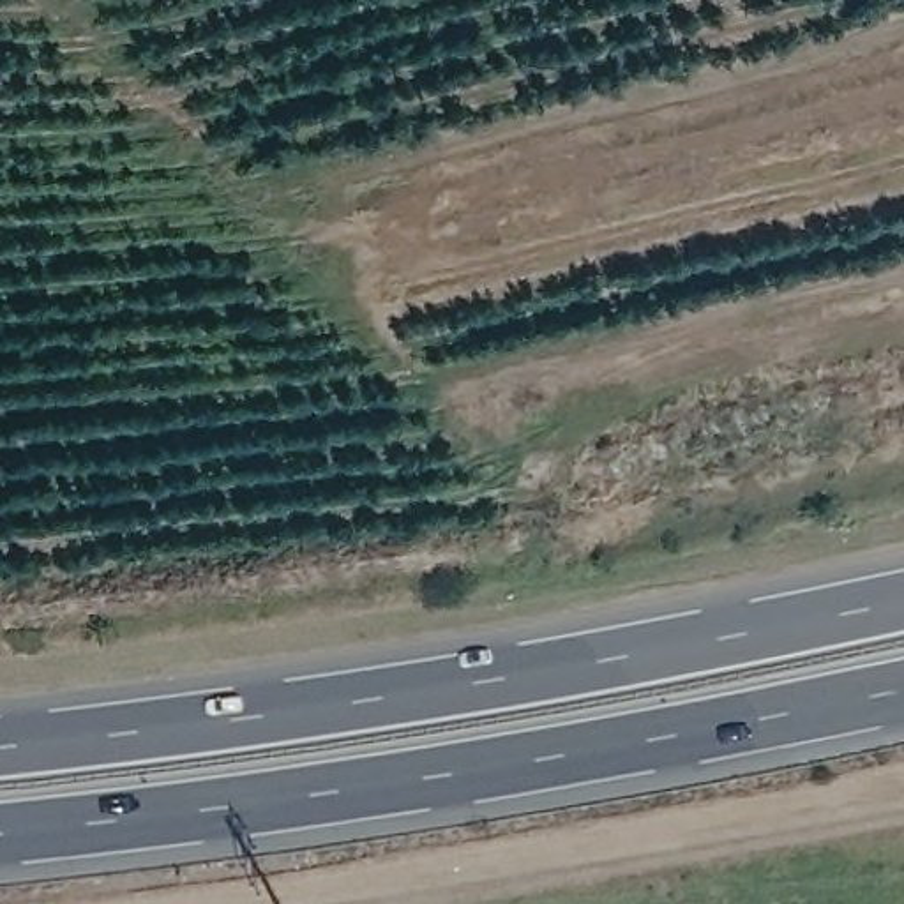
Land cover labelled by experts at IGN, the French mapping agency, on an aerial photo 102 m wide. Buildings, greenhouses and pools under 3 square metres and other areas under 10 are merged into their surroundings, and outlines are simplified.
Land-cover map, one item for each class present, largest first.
<instances>
[{"label":"deciduous trees","instance_id":"1","mask_svg":"<svg viewBox=\"0 0 904 904\"><path fill-rule=\"evenodd\" d=\"M95 11V25H124V32L131 35V42L124 46V60L131 64V71L148 85H173L184 95V109L205 124V141L215 145L222 138H240L251 145V152L240 155L237 173H251L254 166L279 170L283 152L325 155L343 148L378 152L381 145L420 148L431 138V131H477L494 120L540 113L544 106L579 102L586 95H618L629 81L639 78L678 85L689 81L699 64L724 67L735 60L791 53L802 42L840 39L848 28H869L890 11H904V0H844V7L830 18L823 14L791 28L756 32L752 39L735 46H706L699 42L696 28L724 21L720 7L710 0H85ZM512 67H523L526 78L516 81L512 99H494L477 109L456 99L459 85H473ZM53 42V32L42 18L0 21V131L25 124H117L131 120V109H49V99L57 95H109V85L78 78L42 85L28 78L32 67H64L74 64V57L57 49L53 57H42L39 46ZM117 152H131L127 134H113L109 141H67L32 148L18 141L11 148H0V187H88L124 180H166V170L78 166L74 173H53V159L60 155L106 159ZM88 212H117L113 198H39L0 205V590H46L53 579L78 583L113 569H187L191 561H222L240 554H261L258 565L265 569L286 565L290 558H311L314 565H321L346 561L350 554L385 558L413 547L438 523H456L466 530L487 526L494 516V501L487 498L473 505L427 501V487L470 484L473 473L456 463L448 441L441 438H431L424 448L403 445V427L427 424V410H396V385L388 378L374 371L371 353L335 350V325L304 335L290 332V321H311L318 318V311L275 307L272 293L300 286L304 272L247 283V251L219 254L205 247L212 233H247L251 222L244 219L198 226L124 222L81 230V215ZM904 261V219L872 222L865 230L851 226L844 237L833 233L812 240H787L749 254L699 258L646 275L597 279L579 290L551 297L540 293L523 304H505L501 297H491V311L466 314L459 321L417 325L403 335V343L427 364H445L484 353H512L537 339H558L579 328L639 325L660 314L696 311L703 304L749 297L759 290H784L805 279L872 275ZM473 593L456 565H438L424 572L420 597L427 607H456Z\"/></svg>","mask_w":904,"mask_h":904},{"label":"herbaceous vegetation","instance_id":"2","mask_svg":"<svg viewBox=\"0 0 904 904\"><path fill-rule=\"evenodd\" d=\"M42 18L53 32V42L39 46L42 57H53L57 49L74 57V64L64 67H32L28 78L42 85L78 78L109 85V95H57L49 99V109H131V120L117 124H25L0 131V148H11L18 141L32 148L67 141H109L113 134H127L131 152H117L106 159L60 155L53 159V173H74L78 166L166 170V180H124L88 187H0V205L39 198H113L117 212H88L81 215V230L124 222L198 226L244 219L251 222L247 233H212L205 247L219 254L247 251V283L304 272L300 286L272 293L275 307L318 311V318L311 321H290V332L304 335L335 325V350L371 353L374 371L388 378L399 367V357L378 346L371 318L357 300L353 254L332 244H311L300 233L304 219L339 222L360 212L357 198L367 191L441 180L445 173L438 162H466L463 148L519 138L530 131H547L586 117L643 109L653 102L692 99L745 81L795 74L833 57L865 53L886 39H893L897 46L904 42V11H890L869 28H848L840 39L802 42L791 53L735 60L724 67L699 64L689 81L678 85L639 78L629 81L618 95H586L579 102L544 106L540 113L494 120L477 131H431V138L420 148L381 145L378 152L343 148L325 155L283 152L279 170L254 166L251 173H237L240 155L251 152V145L240 138H222L215 145L205 141V124L184 109V95L173 85H148L131 71V64L124 60V46L131 42V35L124 32V25H95V11L85 0H0V21ZM720 7L724 21L696 28L699 42L706 46H735L752 39L756 32L791 28L823 14L830 18L844 7V0H710ZM516 81L526 78L523 67H512L473 85H459L456 99L477 109L494 99H512ZM636 388H667L678 399L674 406H664L643 424L614 420L593 448L547 452L554 470L540 484L561 505L558 523L544 512L494 516L487 526L466 530L456 523H438L413 547L385 558L350 554L346 561L321 565H314L311 558H290L286 565L265 569L258 565L261 554H240L222 561H191L187 569H113L78 583L53 579L46 590H0V629L42 625V643L124 639L166 629H198L215 622L275 618L332 604L360 607L364 600H374L381 593L420 597L424 572L438 565H456L473 593L456 607H438L441 622L487 618V625L498 636L597 611L703 593H731L752 583H773L904 554V311L883 307L840 318L823 339L812 343V353L798 360H777L773 371L752 367L749 357L738 350H713L699 360L653 371L639 378ZM438 392L424 381L396 385V410H427V424L403 427V445L424 448L431 438H441L448 413L434 410ZM491 487L470 484L427 487V501L473 505L487 498ZM904 763V742L862 749L851 756H830L823 763L830 777ZM816 784L812 763H784L770 773H735L731 780L720 777L717 784H685L682 791L660 787L618 802L604 798L597 805H561L544 816L523 819L484 816L470 819L466 830L396 837L378 844H343L332 851L212 862L191 865L184 872H134L113 879L0 883V904H148V893L180 886L275 879L343 869L353 862H385L396 855L526 837L593 819L643 816L671 805H703L717 798H749L763 791L805 787ZM576 904H904V826L851 833L833 844L773 848L749 862L720 858L710 865H671L632 876H611L590 886Z\"/></svg>","mask_w":904,"mask_h":904},{"label":"impervious surface","instance_id":"3","mask_svg":"<svg viewBox=\"0 0 904 904\"><path fill-rule=\"evenodd\" d=\"M904 742V554L773 583H752L731 593H703L597 611L498 636H477L473 643L438 639L254 671L191 674L177 682L0 699V883L113 879L134 872H184L191 865L212 862L332 851L343 844H378L396 837L466 830L470 819L484 816L523 819L544 816L561 805H597L604 798L618 802L660 787L682 791L685 784H717L720 777L731 780L735 773H770L784 763H823L830 756H851L862 749ZM148 904H283L275 897V879L180 886L148 893Z\"/></svg>","mask_w":904,"mask_h":904},{"label":"agricultural land","instance_id":"4","mask_svg":"<svg viewBox=\"0 0 904 904\"><path fill-rule=\"evenodd\" d=\"M466 162H438L445 173L441 180L367 191L357 198L360 212L339 222L304 219L300 233L311 244H332L353 254L357 300L371 318L378 346L399 357V367L388 378L396 385L424 381L438 392L434 410L448 413L441 438L448 441L456 463L473 473L470 484L491 487L487 498L494 501V516L544 512L558 523L561 505L540 484L554 470L547 452L593 448L614 420L643 424L664 406H674L678 399L667 388H636L639 378L653 371L699 360L713 350H738L749 357L752 367L773 371L777 360H798L812 353V343L823 339L840 318L883 307L904 311V261L872 275L805 279L784 290H759L749 297L703 304L696 311L660 314L639 325L579 328L558 339H537L512 353H484L445 364H427L403 343V335L417 325L459 321L466 314L491 311V297H501L505 304H523L540 293L551 297L579 290L597 279L646 275L699 258L749 254L787 240H812L833 233L844 237L851 226L865 230L872 222L904 219V42L897 46L893 39H886L865 53L833 57L795 74L745 81L692 99L653 102L643 109L586 117L547 131H530L519 138L463 148Z\"/></svg>","mask_w":904,"mask_h":904},{"label":"pervious surface","instance_id":"5","mask_svg":"<svg viewBox=\"0 0 904 904\"><path fill-rule=\"evenodd\" d=\"M477 636H498L487 625V618L441 622L438 607H427L420 597L381 593L374 600H364L360 607L332 604L275 618L215 622L198 629H166L124 639L42 643V650L35 653H18L11 643H0V699L177 682L191 674L254 671L438 639L473 643ZM816 784L805 787L763 791L749 798H717L703 805H671L643 816L593 819L526 837L396 855L385 862H353L343 869L275 879V897L283 904H576L590 886L611 876H632L671 865H710L720 858L749 862L773 848L833 844L851 833L904 826V763L830 777L823 763H812Z\"/></svg>","mask_w":904,"mask_h":904},{"label":"brushwood","instance_id":"6","mask_svg":"<svg viewBox=\"0 0 904 904\"><path fill-rule=\"evenodd\" d=\"M0 643H11L18 653H35L42 650V625L0 629Z\"/></svg>","mask_w":904,"mask_h":904}]
</instances>
